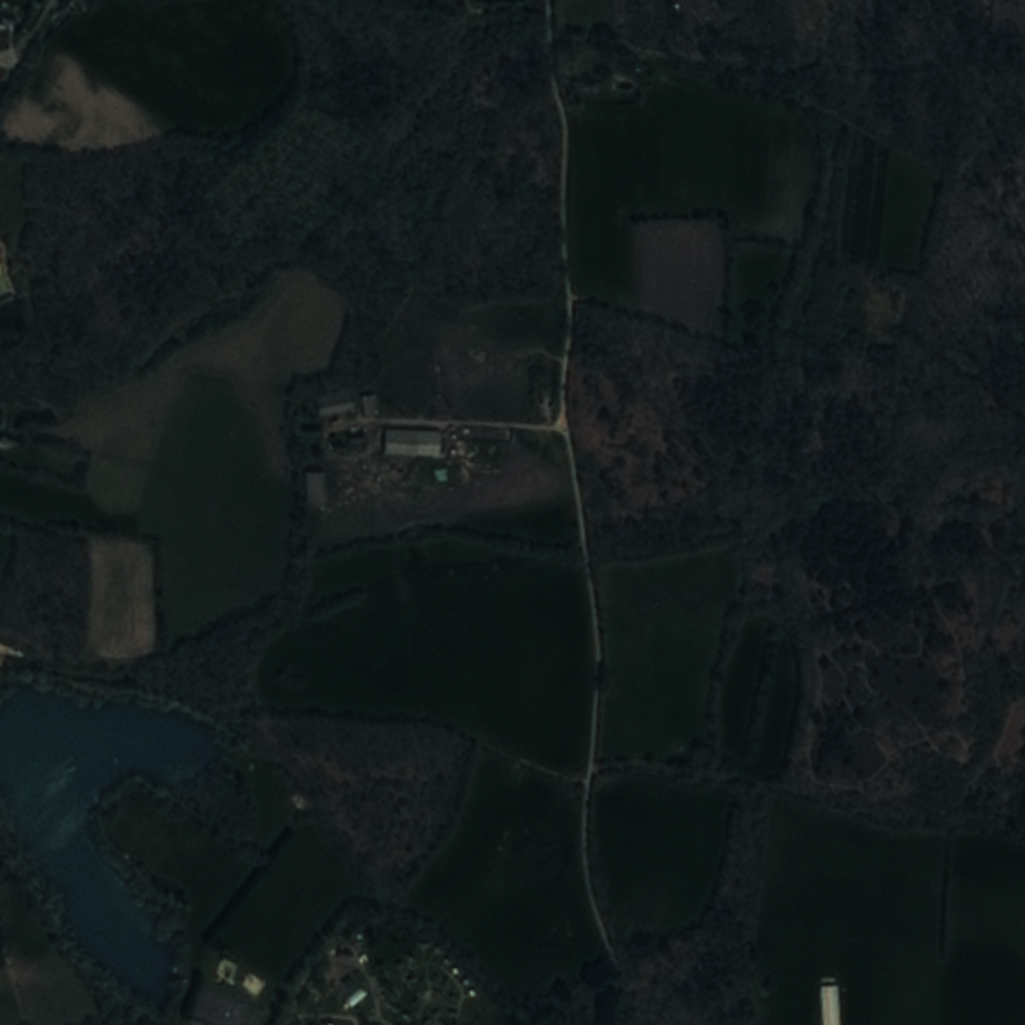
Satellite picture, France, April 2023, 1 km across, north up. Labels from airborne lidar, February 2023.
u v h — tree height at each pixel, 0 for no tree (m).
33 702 0
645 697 0
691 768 12
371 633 0
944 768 7
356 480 0
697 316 0
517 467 0
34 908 10
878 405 18
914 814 10
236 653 24
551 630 0
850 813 7
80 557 14
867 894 0
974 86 17
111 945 0
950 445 10
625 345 10
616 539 12
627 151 0
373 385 8
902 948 0
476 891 0
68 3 0
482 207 14
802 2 12
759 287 0
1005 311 7
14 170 0
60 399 18
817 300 8
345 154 18
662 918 0
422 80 14
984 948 0
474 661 0
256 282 17
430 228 12
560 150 7
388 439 0
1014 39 20
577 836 0
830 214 8
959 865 0
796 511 14
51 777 0
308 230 13
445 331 0
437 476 0
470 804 0
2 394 15
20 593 14
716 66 8
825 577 7
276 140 19
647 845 0
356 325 13
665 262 0
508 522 0
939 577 12
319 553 7
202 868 0
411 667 0
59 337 18
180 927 6
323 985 11
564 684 0
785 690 0
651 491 0
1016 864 0
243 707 11
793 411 7
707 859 0
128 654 0
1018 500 13
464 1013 0
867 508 13
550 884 0
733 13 6
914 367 5
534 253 11
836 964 0
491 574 0
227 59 0
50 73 0
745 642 0
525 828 0
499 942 0
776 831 0
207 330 10
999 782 9
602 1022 21
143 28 0
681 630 0
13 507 0
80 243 11
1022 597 12
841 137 6
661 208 0
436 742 13
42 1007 0
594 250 0
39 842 0
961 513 11
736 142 0
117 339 14
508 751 0
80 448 10
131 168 12
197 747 0
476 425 0
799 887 0
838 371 14
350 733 14
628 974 12
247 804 15
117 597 0
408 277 12
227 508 0
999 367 17
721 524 9
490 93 15
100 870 0
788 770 12
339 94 19
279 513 0
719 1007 11
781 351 12
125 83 0
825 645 11
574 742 0
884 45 13
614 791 0
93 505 0
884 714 8
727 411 15
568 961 0
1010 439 12
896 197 0
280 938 0
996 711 9
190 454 0
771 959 0
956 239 16
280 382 0
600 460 0
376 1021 0
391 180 11
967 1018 0
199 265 20
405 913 10
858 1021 0
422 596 0
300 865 0
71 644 13
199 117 0
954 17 11
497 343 0
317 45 11
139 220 11
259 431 0
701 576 0
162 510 0
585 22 0
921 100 14
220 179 17
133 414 0
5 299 0
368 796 7
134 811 0
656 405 10
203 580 0
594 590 10
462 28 11
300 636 0
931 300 13
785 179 0
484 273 11
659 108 0
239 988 0
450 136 9
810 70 12
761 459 9
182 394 0
